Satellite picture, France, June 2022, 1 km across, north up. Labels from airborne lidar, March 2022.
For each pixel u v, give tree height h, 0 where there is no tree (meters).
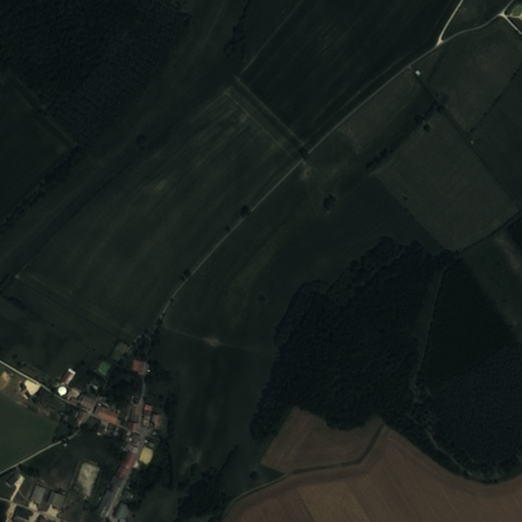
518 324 0
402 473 0
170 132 0
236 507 0
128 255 0
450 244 0
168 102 0
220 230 0
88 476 0
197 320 0
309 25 0
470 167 0
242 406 0
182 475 0
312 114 0
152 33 20
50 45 19
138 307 0
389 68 0
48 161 0
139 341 9
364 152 0
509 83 0
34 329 0
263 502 0
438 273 0
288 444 0
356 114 0
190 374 0
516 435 13
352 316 20
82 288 0
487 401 13
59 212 0
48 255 0
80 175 0
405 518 0
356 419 17
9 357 0
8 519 0
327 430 0
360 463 0
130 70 18
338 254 0
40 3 19
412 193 0
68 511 0
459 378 13
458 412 14
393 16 0
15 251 0
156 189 0
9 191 0
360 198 0
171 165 0
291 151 0
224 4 0
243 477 0
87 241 0
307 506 0
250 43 0
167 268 0
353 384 17
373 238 0
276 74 0
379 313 22
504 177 0
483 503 0
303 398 21
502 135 0
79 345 0
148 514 0
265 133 0
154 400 0
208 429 0
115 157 0
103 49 20
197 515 9
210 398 0
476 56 0
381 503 0
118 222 0
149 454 0
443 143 0
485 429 12
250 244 0
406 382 9
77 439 0
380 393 14
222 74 0
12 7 17
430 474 0
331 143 0
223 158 0
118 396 17
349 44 0
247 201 0
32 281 0
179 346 0
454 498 0
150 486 15
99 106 19
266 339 0
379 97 0
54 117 12
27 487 0
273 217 0
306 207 0
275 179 0
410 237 0
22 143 0
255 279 0
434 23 0
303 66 0
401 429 14
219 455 0
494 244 0
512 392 15
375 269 11
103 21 20
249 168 0
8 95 0
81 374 0
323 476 0
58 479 0
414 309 20
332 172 0
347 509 0
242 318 0
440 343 9
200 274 0
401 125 0
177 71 0
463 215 0
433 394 11
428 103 0
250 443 0
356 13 0
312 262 0
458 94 0
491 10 0
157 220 0
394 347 18
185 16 10
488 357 12
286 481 0
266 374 0
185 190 0
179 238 0
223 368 0
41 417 0
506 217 0
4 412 0
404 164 0
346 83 0
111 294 0
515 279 0
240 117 0
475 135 0
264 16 0
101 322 0
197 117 0
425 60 0
